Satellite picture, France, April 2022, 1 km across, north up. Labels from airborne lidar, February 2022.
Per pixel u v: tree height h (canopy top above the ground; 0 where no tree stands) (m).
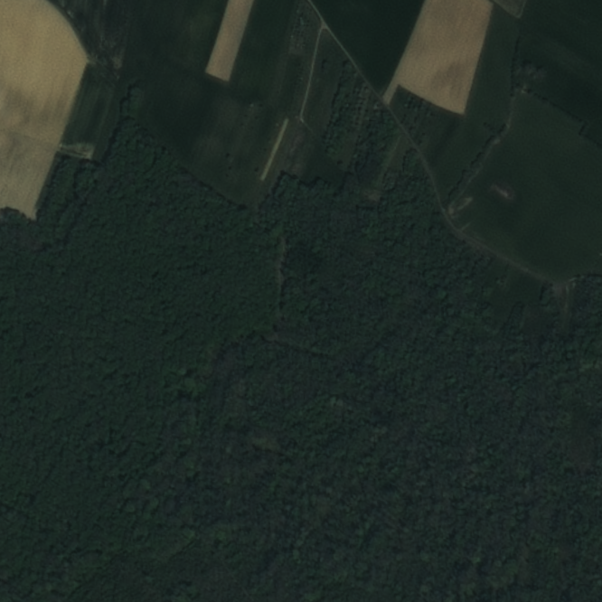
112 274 20
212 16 0
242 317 26
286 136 0
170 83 0
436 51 0
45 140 0
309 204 23
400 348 25
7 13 0
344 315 20
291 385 24
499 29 0
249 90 0
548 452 29
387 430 23
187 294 27
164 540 26
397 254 20
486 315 18
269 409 20
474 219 0
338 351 18
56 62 0
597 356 17
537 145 0
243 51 0
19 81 0
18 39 0
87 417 31
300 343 24
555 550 18
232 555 19
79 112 0
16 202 0
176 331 26
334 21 0
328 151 7
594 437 0
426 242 23
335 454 27
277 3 0
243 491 25
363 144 7
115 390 29
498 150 0
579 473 0
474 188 0
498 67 0
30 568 29
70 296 26
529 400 24
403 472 24
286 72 0
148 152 21
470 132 0
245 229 22
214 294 25
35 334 28
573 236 0
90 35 0
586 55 0
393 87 0
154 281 23
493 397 26
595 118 0
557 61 0
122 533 26
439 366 27
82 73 0
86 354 27
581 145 0
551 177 0
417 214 19
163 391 25
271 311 24
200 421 26
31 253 28
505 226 0
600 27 0
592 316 27
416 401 23
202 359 25
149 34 0
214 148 0
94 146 0
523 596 29
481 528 14
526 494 25
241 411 25
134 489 28
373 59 0
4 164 0
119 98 0
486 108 0
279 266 25
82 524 24
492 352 28
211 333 26
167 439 29
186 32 0
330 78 0
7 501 22
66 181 17
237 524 27
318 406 20
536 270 0
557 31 0
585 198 0
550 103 9
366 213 16
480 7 0
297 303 24
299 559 20
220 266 24
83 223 25
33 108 0
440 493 33
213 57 0
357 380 21
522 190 0
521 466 24
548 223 0
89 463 23
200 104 0
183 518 29
